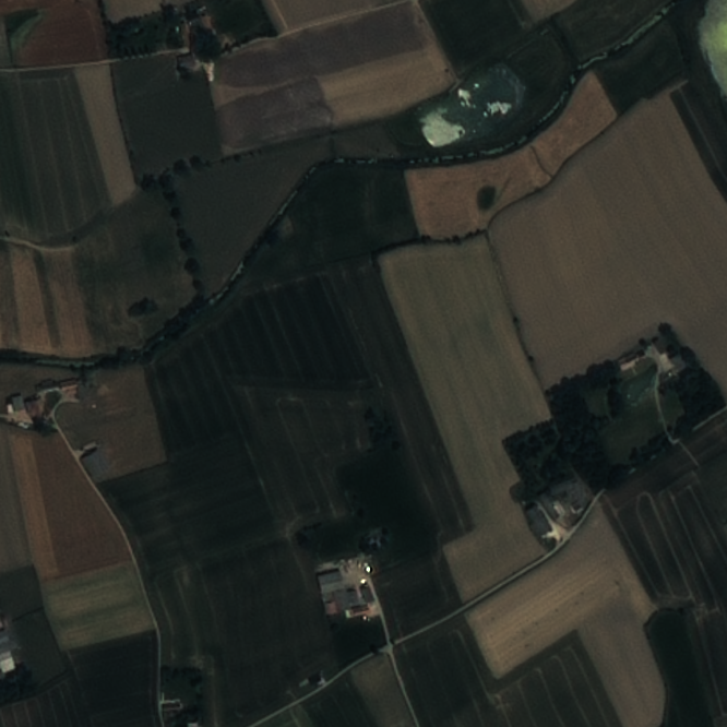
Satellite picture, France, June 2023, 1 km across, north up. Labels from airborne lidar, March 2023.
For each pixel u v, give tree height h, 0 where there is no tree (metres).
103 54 0
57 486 0
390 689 0
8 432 0
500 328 0
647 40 0
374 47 0
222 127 0
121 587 0
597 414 0
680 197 0
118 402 0
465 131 0
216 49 22
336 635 0
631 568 0
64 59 0
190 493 0
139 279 0
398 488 0
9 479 0
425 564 0
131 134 0
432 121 0
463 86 0
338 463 0
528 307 0
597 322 0
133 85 0
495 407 0
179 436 0
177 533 0
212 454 0
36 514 0
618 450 0
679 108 0
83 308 0
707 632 0
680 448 0
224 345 0
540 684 0
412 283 0
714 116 0
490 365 0
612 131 0
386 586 0
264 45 0
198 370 0
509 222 0
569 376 0
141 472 0
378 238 0
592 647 0
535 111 0
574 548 0
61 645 0
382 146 0
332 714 0
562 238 0
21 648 0
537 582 0
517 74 0
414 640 0
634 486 0
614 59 0
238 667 0
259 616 0
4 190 0
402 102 0
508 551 0
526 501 0
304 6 0
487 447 0
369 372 0
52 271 0
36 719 0
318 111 0
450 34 0
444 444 0
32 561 0
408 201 0
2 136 0
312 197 0
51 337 0
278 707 0
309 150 0
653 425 0
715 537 0
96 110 0
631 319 0
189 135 0
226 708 0
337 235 0
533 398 0
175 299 0
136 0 0
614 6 0
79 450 0
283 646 0
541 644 0
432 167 0
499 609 0
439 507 0
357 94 0
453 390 0
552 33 0
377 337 0
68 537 0
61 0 0
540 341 0
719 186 0
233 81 0
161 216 0
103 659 0
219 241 0
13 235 0
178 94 0
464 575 0
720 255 0
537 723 0
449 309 0
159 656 0
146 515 0
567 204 0
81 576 0
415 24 0
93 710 0
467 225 0
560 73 0
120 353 12
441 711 0
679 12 0
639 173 0
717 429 0
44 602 0
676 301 0
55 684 0
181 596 0
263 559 0
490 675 0
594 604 0
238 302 0
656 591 0
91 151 0
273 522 0
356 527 0
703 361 0
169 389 0
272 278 0
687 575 0
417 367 0
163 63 0
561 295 0
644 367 0
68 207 0
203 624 0
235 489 0
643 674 0
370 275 0
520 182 0
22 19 0
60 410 0
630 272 0
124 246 0
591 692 0
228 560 0
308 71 0
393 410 0
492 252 0
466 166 0
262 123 0
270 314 0
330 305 0
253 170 0
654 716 0
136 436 0
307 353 0
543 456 0
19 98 0
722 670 0
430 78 0
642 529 0
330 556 0
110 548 0
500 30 0
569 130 0
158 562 0
